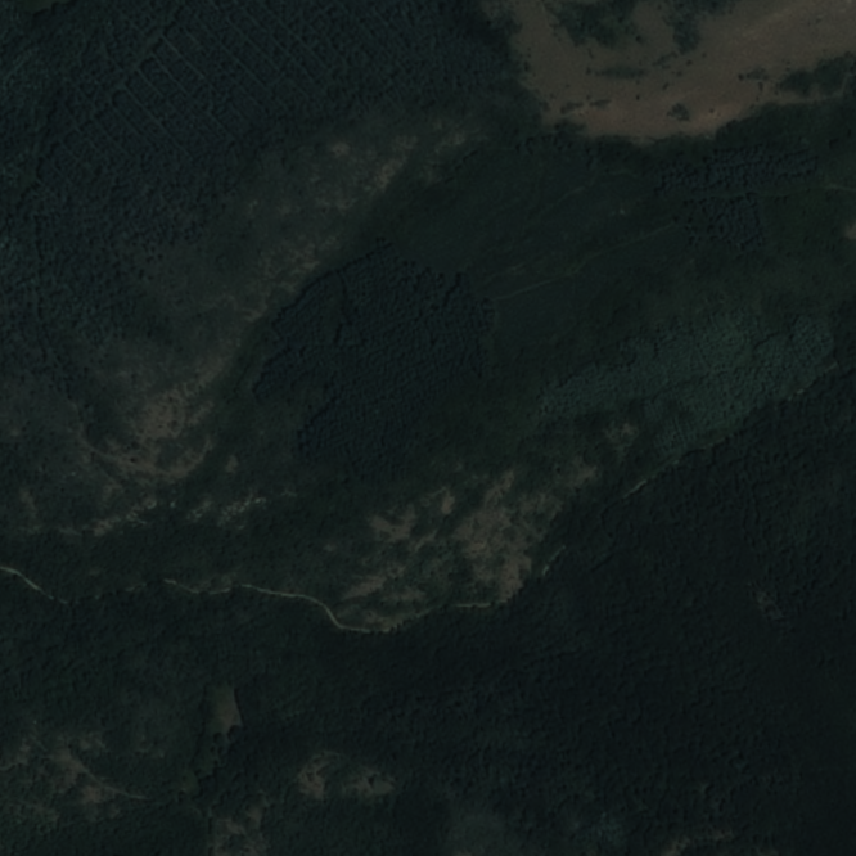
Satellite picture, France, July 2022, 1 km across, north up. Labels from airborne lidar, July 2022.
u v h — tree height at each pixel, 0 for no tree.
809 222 7
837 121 8
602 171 6
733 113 0
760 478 13
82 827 7
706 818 13
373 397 25
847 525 14
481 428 9
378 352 23
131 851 12
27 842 8
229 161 17
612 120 0
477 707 8
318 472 6
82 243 20
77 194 19
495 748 12
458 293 23
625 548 10
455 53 18
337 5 20
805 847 15
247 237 10
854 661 12
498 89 7
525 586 11
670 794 12
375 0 16
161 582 14
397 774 8
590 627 14
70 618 8
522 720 15
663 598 11
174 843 14
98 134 19
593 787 11
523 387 11
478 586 8
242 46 20
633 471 12
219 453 6
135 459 8
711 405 12
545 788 9
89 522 8
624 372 22
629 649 11
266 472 7
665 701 21
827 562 15
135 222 12
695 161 10
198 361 0
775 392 22
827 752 12
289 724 8
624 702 17
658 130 0
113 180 15
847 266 8
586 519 18
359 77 7
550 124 0
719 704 19
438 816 16
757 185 23
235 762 16
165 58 19
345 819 12
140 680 6
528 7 0
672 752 15
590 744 11
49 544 11
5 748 10
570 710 14
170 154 19
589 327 7
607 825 17
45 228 21
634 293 10
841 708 13
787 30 0
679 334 17
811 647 17
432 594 6
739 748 15
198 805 8
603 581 14
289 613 8
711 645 13
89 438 7
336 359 24
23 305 13
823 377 8
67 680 13
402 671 15
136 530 8
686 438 14
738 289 6
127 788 9
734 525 11
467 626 10
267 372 10
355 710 14
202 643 10
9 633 6
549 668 9
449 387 24
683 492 11
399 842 6
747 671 13
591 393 19
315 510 7
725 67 0
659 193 18
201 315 9
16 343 13
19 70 22
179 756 8
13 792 7
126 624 9
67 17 20
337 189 0
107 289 18
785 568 17
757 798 15
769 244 23
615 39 7
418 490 6
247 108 18
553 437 14
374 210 6
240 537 13
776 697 11
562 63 0
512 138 7
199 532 12
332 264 9
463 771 18
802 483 8
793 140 9
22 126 23
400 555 9
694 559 14
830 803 11
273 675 10
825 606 15
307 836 9
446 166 6
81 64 8
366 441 26
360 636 19
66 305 9
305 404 6
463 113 6
